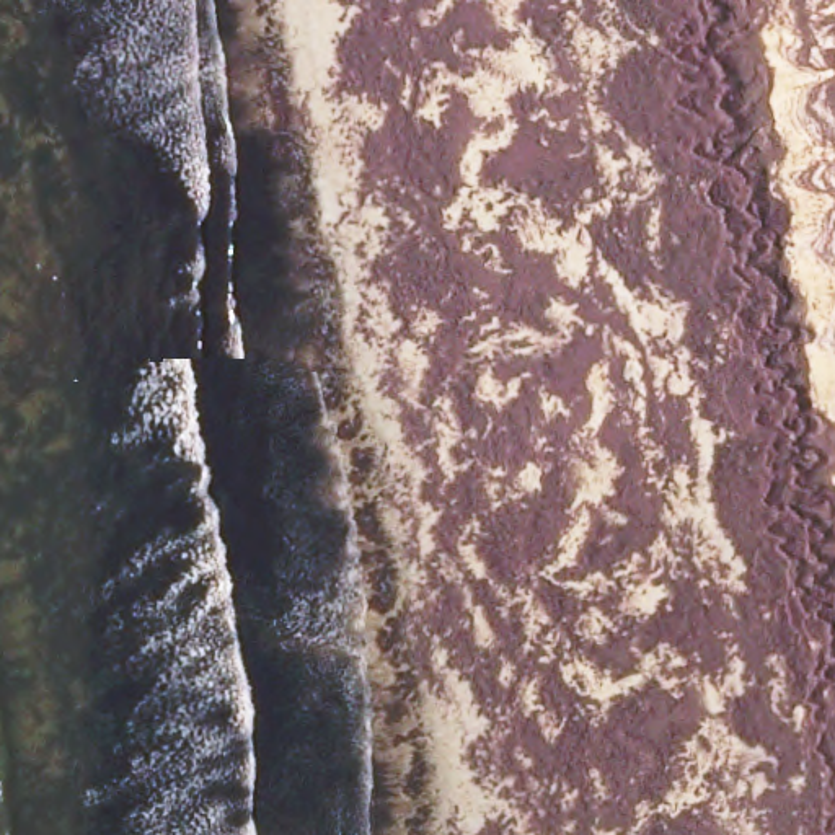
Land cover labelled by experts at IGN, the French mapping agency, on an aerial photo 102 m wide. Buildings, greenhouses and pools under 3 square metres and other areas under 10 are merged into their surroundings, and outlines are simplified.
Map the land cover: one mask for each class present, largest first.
<instances>
[{"label":"bare soil","instance_id":"1","mask_svg":"<svg viewBox=\"0 0 835 835\"><path fill-rule=\"evenodd\" d=\"M238 7V36L225 42L228 98L245 95L251 121L264 127L271 137L274 160L294 157L290 173L277 183V202L281 215L290 222L294 232L290 284L303 294H316L323 303V320L320 329H313V342L303 349V365L316 395L320 440L336 466V506L346 519V564L339 577V594L329 607L333 613H346L359 630V646L352 639H342L339 652L356 659L362 678V701H375V711L362 714V799L356 809H333V835H835V0H232Z\"/></svg>","mask_w":835,"mask_h":835},{"label":"water","instance_id":"2","mask_svg":"<svg viewBox=\"0 0 835 835\"><path fill-rule=\"evenodd\" d=\"M238 36V7L232 0H0V835H333V809H356L362 799V714L375 711V701H362V678L356 659L339 652L342 639H352L359 646V630L346 613H333L329 607L339 594V577L346 564V519L336 506V466L320 440L316 395L303 365V349L313 342V329H320L323 320V303L316 294H303L290 284L294 232L290 222L281 215L277 202V183L290 173L294 157L274 160L271 137L264 127L251 121L245 95L228 98L225 42Z\"/></svg>","mask_w":835,"mask_h":835}]
</instances>
